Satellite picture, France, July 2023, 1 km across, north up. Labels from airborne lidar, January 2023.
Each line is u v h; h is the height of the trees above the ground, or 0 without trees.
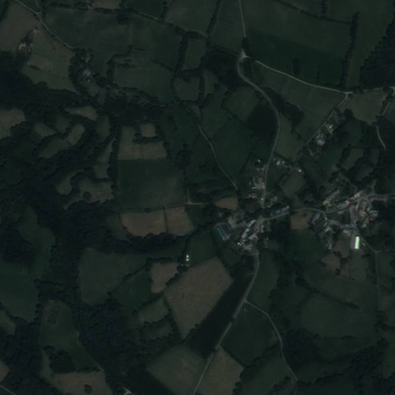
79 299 14
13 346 23
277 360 0
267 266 0
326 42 0
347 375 15
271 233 10
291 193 0
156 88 0
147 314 0
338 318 0
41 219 17
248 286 0
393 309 0
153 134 0
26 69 0
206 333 0
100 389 0
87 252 0
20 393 24
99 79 14
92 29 0
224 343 0
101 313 21
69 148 7
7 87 26
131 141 0
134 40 0
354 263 0
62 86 0
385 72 6
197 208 0
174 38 0
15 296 0
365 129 8
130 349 10
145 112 10
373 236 8
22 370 28
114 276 0
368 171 0
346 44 0
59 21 0
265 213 15
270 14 0
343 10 0
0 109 15
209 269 0
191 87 0
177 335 15
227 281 0
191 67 0
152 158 0
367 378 22
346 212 6
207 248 0
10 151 15
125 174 0
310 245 0
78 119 16
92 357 8
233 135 0
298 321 0
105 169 0
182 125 0
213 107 0
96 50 0
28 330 19
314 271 0
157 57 0
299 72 14
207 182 7
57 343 0
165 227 0
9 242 14
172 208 0
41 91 7
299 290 0
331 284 0
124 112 14
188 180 9
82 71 8
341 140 16
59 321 0
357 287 0
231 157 0
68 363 19
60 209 16
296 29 0
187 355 0
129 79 0
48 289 14
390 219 13
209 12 0
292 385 0
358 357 7
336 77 0
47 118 11
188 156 16
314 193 17
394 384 16
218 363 0
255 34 0
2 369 0
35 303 0
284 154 0
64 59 0
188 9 0
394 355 0
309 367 0
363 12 0
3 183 19
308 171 0
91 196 13
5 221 14
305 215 0
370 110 0
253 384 0
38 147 11
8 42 0
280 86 0
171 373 0
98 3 0
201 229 12
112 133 14
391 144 7
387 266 0
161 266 0
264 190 0
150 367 0
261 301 0
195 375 0
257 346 0
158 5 0
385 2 0
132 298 0
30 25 0
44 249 0
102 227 25
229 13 0
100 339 21
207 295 0
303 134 0
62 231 6
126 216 0
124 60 0
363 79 12
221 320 0
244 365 7
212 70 8
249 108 0
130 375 0
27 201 23
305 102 0
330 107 0
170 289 0
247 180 0
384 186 0
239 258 0
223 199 0
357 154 0
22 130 8
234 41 0
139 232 0
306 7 0
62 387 0
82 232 9
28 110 17
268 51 0
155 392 0
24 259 16
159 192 0
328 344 0
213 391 0
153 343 17
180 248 0
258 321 0
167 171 0
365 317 0
